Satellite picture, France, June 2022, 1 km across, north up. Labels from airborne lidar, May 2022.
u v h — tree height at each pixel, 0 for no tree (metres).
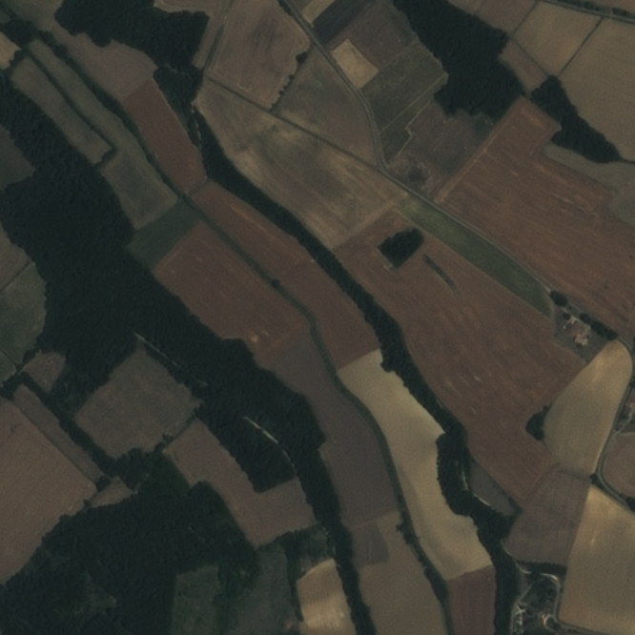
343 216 0
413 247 9
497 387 0
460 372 0
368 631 14
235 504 0
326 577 0
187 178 0
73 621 6
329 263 17
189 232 0
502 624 14
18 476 0
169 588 13
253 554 14
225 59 0
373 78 0
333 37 0
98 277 17
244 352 16
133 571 11
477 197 0
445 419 16
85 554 13
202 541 7
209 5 0
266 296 0
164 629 11
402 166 0
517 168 0
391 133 0
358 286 9
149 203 0
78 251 14
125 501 8
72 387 7
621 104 0
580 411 0
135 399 0
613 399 0
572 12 0
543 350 0
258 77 0
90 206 16
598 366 0
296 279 0
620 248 0
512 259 0
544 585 8
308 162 0
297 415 17
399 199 0
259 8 0
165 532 17
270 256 0
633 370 0
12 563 0
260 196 10
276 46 0
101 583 14
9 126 15
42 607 19
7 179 0
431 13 19
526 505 0
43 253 18
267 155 0
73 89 0
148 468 16
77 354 18
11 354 0
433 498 0
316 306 0
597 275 0
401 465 0
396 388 0
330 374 0
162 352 15
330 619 0
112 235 20
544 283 0
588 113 0
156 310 19
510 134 0
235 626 0
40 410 0
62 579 15
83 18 21
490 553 9
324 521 12
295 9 0
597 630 0
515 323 0
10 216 18
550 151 0
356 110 0
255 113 0
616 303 0
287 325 0
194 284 0
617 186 0
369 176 0
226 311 0
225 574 17
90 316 19
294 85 0
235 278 0
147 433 0
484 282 0
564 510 0
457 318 0
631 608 0
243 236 0
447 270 0
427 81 0
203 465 0
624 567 0
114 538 15
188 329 20
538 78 0
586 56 0
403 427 0
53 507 0
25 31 14
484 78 16
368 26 0
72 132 0
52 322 15
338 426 0
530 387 0
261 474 13
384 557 0
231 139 0
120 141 0
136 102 0
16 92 17
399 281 0
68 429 13
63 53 18
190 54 10
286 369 0
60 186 19
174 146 0
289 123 0
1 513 0
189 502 16
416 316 0
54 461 0
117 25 16
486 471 0
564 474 0
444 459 14
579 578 0
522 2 0
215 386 17
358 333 0
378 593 0
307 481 15
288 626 0
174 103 8
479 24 18
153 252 0
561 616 0
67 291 18
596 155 11
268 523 0
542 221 0
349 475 0
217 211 0
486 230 0
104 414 0
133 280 19
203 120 10
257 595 0
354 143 0
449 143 0
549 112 10
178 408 0
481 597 0
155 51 17
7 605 15
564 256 0
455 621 0
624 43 0
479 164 0
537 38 0
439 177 0
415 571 0
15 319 0
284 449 14
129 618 14
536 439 11
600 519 0
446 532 0
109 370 18
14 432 0
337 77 0
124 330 18
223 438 20
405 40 0
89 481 0
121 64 0
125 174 0
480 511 15
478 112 11
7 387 16
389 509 0
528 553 0
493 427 0
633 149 0
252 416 9
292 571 11
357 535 0
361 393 0
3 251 0
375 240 0
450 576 0
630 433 0
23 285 0
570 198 0
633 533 0
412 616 0
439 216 0
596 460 0
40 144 18
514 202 0
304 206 0
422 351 0
